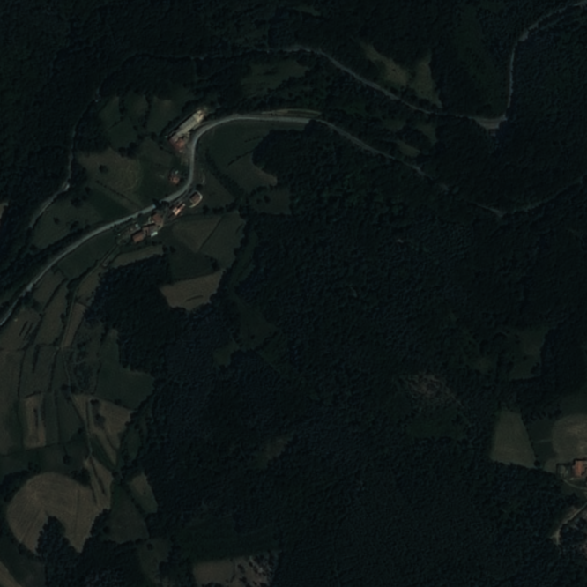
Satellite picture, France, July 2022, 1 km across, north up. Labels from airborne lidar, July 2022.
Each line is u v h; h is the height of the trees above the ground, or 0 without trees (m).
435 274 20
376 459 16
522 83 19
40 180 33
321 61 14
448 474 13
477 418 19
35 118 25
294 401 26
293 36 19
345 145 25
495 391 26
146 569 0
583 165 26
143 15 35
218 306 17
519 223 19
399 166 24
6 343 0
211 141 0
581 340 24
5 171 21
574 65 20
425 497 15
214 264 9
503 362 17
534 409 14
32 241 11
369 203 25
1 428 0
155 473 15
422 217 25
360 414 18
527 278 23
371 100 20
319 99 8
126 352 12
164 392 16
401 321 27
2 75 14
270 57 28
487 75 0
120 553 12
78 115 18
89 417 0
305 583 19
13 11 31
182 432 22
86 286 0
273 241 20
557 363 27
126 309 26
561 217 27
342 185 26
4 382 0
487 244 25
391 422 19
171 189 0
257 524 25
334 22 28
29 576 0
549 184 31
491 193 27
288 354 9
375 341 12
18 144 22
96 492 0
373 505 11
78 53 27
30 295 12
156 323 24
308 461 23
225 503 16
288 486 21
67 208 0
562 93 16
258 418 22
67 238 8
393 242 17
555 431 0
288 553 14
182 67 27
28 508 0
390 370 19
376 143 24
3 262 26
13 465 0
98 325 7
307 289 14
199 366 25
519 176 29
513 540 22
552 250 30
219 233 0
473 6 25
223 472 17
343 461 23
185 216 0
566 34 17
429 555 17
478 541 17
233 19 12
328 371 19
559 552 15
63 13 23
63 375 0
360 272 22
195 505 22
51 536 17
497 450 0
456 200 28
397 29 27
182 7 36
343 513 15
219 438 24
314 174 14
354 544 14
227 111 16
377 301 20
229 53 18
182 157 0
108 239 0
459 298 29
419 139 32
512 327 19
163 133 6
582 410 0
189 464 18
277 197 0
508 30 13
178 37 30
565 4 13
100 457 0
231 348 0
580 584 25
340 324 21
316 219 18
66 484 0
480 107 17
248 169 0
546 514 20
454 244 23
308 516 12
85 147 20
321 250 22
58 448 0
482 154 31
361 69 22
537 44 22
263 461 0
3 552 0
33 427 0
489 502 21
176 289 0
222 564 0
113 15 30
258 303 21
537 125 22
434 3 30
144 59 25
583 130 17
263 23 15
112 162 0
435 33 25
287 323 23
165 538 12
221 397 24
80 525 0
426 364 24
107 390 0
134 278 26
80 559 14
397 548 14
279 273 26
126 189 0
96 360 0
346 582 11
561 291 28
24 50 13
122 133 0
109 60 28
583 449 0
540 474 22
